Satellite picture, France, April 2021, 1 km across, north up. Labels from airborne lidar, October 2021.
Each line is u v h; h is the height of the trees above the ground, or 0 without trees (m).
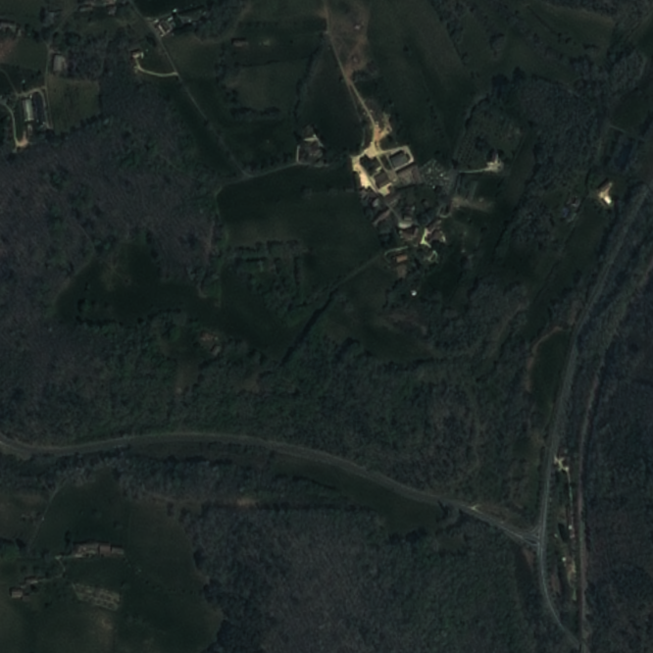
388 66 0
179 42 0
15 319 15
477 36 0
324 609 24
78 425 19
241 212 0
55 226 23
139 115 18
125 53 11
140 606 0
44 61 0
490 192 0
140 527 0
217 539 24
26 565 0
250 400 20
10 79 0
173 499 18
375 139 0
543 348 0
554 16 0
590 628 17
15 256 20
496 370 13
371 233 0
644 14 21
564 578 17
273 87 0
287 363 13
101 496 0
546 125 15
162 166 15
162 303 0
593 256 0
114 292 0
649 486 20
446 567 20
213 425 20
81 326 18
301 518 19
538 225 22
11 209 18
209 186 19
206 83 0
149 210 18
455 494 11
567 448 14
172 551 0
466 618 21
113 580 0
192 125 0
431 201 0
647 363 19
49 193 23
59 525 0
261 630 27
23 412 30
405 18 0
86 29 0
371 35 0
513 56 0
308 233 0
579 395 13
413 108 0
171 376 18
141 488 17
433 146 0
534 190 21
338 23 0
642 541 6
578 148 17
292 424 23
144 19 0
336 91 0
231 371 19
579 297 8
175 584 0
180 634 0
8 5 0
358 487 0
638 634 24
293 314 19
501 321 20
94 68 15
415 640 19
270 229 0
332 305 11
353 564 20
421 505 0
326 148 20
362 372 24
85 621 0
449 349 19
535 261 0
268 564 23
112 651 0
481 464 13
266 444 20
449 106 0
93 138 18
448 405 19
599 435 15
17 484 16
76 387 19
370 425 23
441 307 17
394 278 0
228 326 0
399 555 26
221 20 19
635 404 16
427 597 24
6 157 18
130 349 13
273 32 0
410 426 15
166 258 15
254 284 21
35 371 14
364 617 21
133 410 18
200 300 0
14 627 0
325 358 20
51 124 0
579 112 21
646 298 18
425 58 0
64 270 15
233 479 13
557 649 31
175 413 28
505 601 25
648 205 13
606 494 9
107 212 17
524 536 0
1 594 0
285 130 0
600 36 0
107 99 13
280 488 18
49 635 0
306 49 0
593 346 28
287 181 0
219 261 16
